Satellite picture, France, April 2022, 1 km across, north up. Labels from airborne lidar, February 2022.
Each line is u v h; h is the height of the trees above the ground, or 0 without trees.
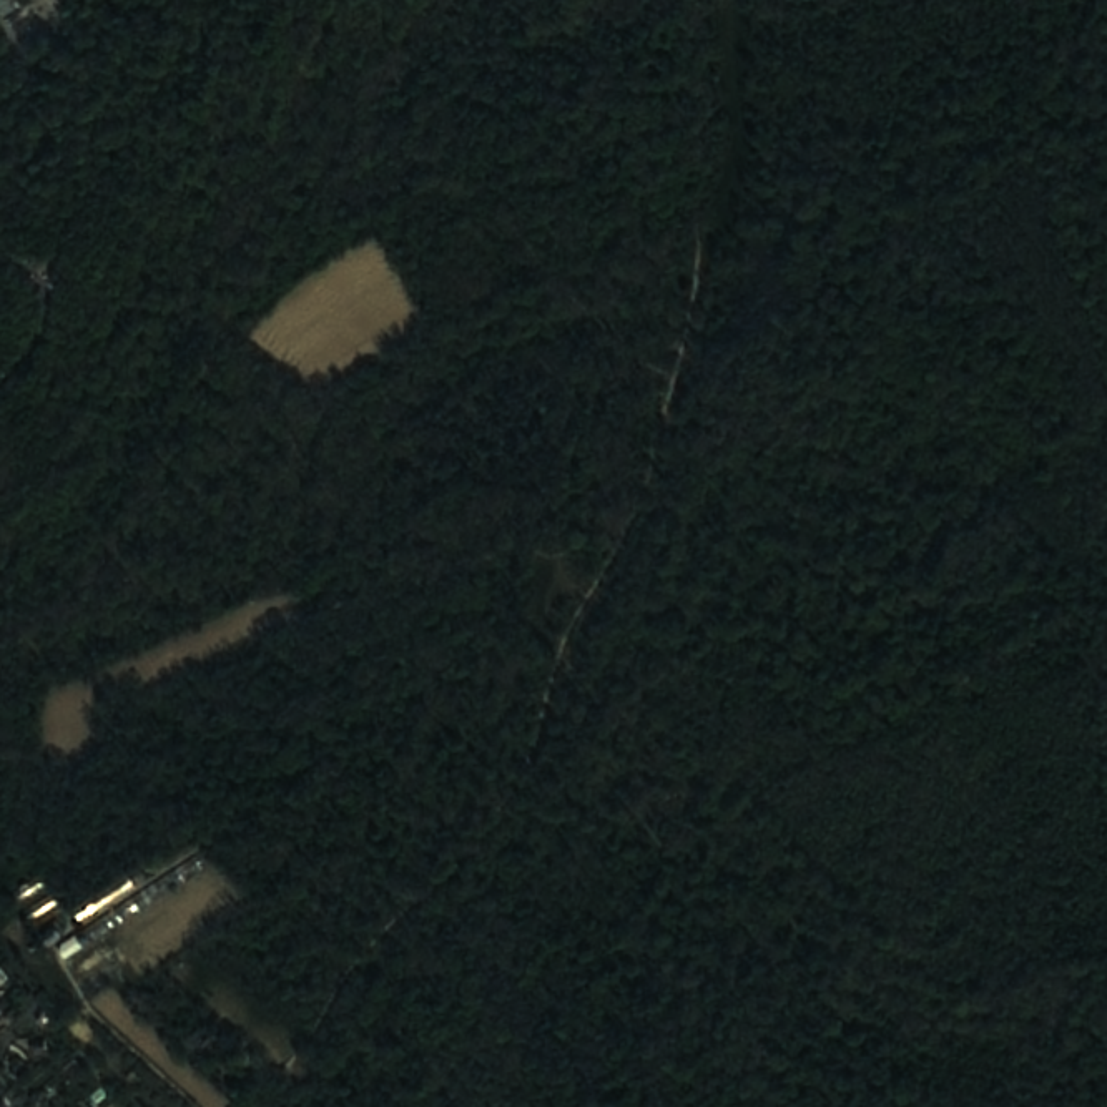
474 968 29
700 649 25
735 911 26
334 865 21
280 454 30
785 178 28
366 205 27
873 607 25
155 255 20
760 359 31
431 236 18
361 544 30
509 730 28
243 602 22
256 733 29
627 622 25
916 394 29
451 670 19
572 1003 31
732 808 29
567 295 31
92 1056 15
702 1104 22
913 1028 31
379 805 29
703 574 29
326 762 30
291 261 18
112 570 31
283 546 25
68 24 23
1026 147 29
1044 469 24
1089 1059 28
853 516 30
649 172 33
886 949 29
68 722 0
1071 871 21
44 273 0
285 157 35
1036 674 14
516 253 11
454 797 29
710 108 21
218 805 26
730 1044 33
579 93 31
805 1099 26
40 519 28
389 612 28
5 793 19
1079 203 25
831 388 31
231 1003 0
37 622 28
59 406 11
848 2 22
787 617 11
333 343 0
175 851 16
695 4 25
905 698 27
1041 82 26
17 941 0
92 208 17
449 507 29
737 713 15
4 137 24
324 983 23
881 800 21
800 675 24
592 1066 33
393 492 16
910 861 17
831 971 33
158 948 0
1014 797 16
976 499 27
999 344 23
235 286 30
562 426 25
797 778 17
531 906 20
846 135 26
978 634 18
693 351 29
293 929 7
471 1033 17
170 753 24
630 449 26
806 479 25
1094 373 29
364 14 24
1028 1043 32
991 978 19
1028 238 25
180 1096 14
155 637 21
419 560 32
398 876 32
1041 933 12
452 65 27
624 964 25
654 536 30
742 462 28
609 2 20
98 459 34
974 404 29
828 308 30
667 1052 31
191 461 28
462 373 17
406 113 29
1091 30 31
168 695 23
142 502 32
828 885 31
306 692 30
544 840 21
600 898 9
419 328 21
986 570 34
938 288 29
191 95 28
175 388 34
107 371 30
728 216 0
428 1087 23
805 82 21
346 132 32
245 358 29
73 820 32
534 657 28
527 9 27
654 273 26
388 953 23
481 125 22
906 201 27
